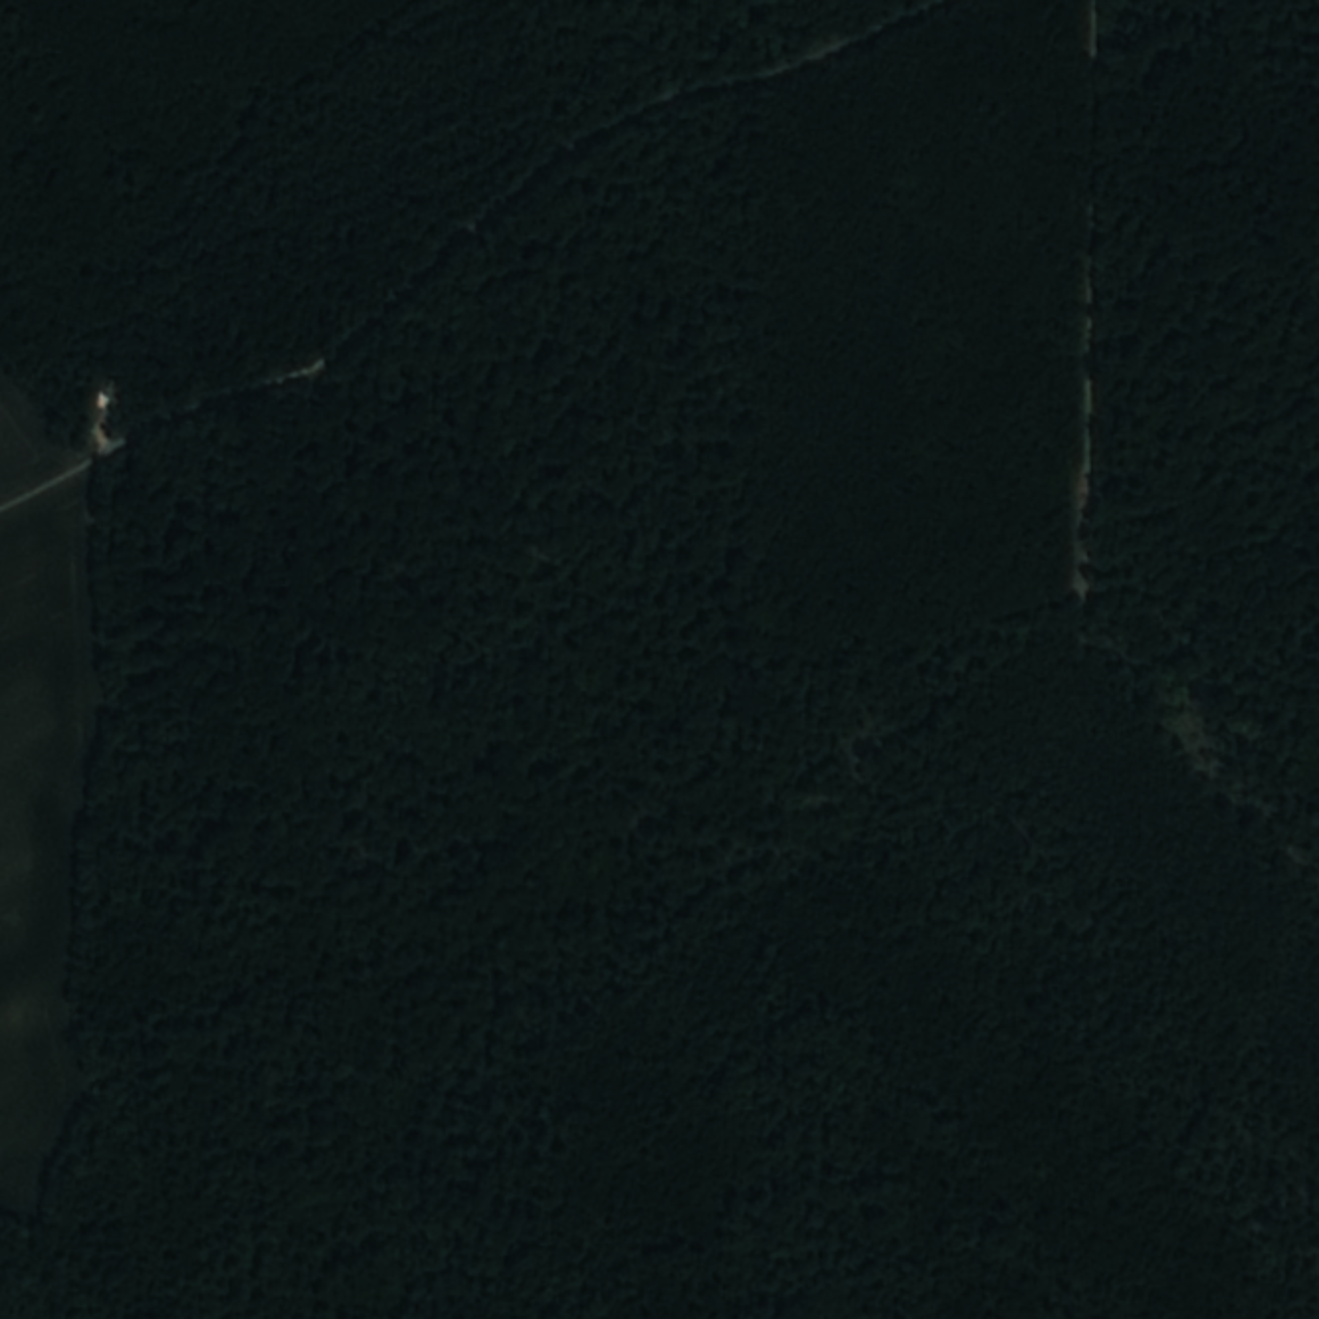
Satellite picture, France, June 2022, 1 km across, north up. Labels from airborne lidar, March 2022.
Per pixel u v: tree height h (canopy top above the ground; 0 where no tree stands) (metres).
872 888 10
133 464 21
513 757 27
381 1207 20
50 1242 9
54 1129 0
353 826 23
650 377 14
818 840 19
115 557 21
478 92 16
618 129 20
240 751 21
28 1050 0
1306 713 20
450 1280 19
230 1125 7
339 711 20
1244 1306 11
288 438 22
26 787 0
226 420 21
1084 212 11
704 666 24
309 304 21
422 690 19
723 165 22
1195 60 24
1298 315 19
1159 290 25
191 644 16
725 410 19
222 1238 15
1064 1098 9
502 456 20
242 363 24
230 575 22
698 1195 9
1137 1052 15
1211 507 19
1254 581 21
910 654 23
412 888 21
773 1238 21
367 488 28
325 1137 20
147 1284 6
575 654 21
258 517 27
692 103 18
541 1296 10
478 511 23
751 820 14
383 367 20
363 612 27
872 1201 10
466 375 24
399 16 15
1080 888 17
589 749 10
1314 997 17
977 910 17
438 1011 14
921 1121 20
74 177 13
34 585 0
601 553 18
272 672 27
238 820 29
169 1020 18
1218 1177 22
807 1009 18
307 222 22
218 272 20
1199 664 19
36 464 0
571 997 23
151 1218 14
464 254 20
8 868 0
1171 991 15
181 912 24
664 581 15
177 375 17
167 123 11
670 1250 22
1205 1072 11
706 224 15
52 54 6
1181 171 20
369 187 11
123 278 18
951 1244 14
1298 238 21
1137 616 20
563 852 19
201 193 13
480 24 18
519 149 16
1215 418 19
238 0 11
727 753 19
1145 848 16
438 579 22
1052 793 14
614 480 14
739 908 21
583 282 19
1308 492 20
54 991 0
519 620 15
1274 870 14
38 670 0
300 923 9
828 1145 11
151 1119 9
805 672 18
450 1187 22
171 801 15
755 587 23
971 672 9
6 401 0
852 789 18
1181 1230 7
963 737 12
